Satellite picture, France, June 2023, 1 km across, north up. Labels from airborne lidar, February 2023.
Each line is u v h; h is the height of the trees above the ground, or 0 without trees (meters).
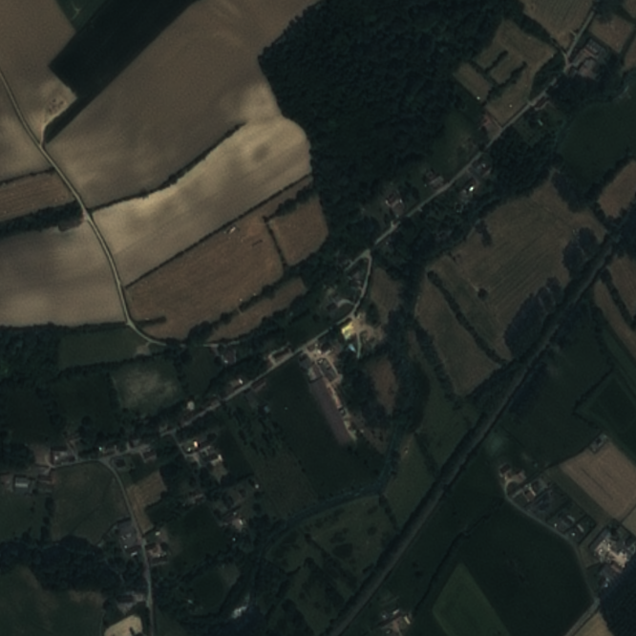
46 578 26
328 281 6
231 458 0
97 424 0
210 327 17
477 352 0
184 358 20
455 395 17
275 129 0
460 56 23
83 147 0
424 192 0
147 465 0
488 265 0
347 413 0
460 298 0
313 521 0
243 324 0
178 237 0
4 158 0
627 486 0
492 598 0
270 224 0
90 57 0
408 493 0
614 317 0
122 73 0
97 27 0
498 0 21
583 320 32
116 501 0
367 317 0
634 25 0
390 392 0
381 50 30
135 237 0
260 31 0
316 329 0
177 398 0
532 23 11
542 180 14
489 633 0
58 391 0
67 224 0
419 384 0
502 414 8
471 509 0
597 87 24
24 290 0
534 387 33
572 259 32
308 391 0
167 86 0
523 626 0
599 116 0
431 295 0
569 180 8
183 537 0
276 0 0
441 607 0
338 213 28
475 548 0
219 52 0
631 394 0
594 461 0
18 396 0
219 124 0
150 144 0
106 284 0
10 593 0
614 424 0
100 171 0
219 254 0
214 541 0
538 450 0
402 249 18
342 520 0
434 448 0
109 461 0
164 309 0
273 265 0
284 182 0
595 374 0
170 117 0
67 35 0
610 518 0
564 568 0
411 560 0
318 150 10
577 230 0
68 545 18
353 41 6
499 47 0
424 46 30
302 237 0
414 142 28
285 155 0
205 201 0
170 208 0
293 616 7
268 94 0
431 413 0
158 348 0
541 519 0
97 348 0
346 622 0
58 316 0
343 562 0
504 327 0
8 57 0
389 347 29
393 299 0
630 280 0
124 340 0
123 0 0
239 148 0
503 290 0
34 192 0
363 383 29
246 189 0
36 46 0
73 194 0
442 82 8
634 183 0
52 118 0
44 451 0
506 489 0
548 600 0
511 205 0
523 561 0
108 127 0
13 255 0
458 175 0
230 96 0
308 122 14
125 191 0
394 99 23
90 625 0
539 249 0
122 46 0
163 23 0
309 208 0
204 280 0
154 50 0
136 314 0
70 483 0
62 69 0
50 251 0
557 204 0
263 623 34
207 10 0
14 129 0
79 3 0
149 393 0
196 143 0
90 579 32
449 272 0
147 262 0
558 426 0
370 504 0
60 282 0
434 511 6
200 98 0
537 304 30
